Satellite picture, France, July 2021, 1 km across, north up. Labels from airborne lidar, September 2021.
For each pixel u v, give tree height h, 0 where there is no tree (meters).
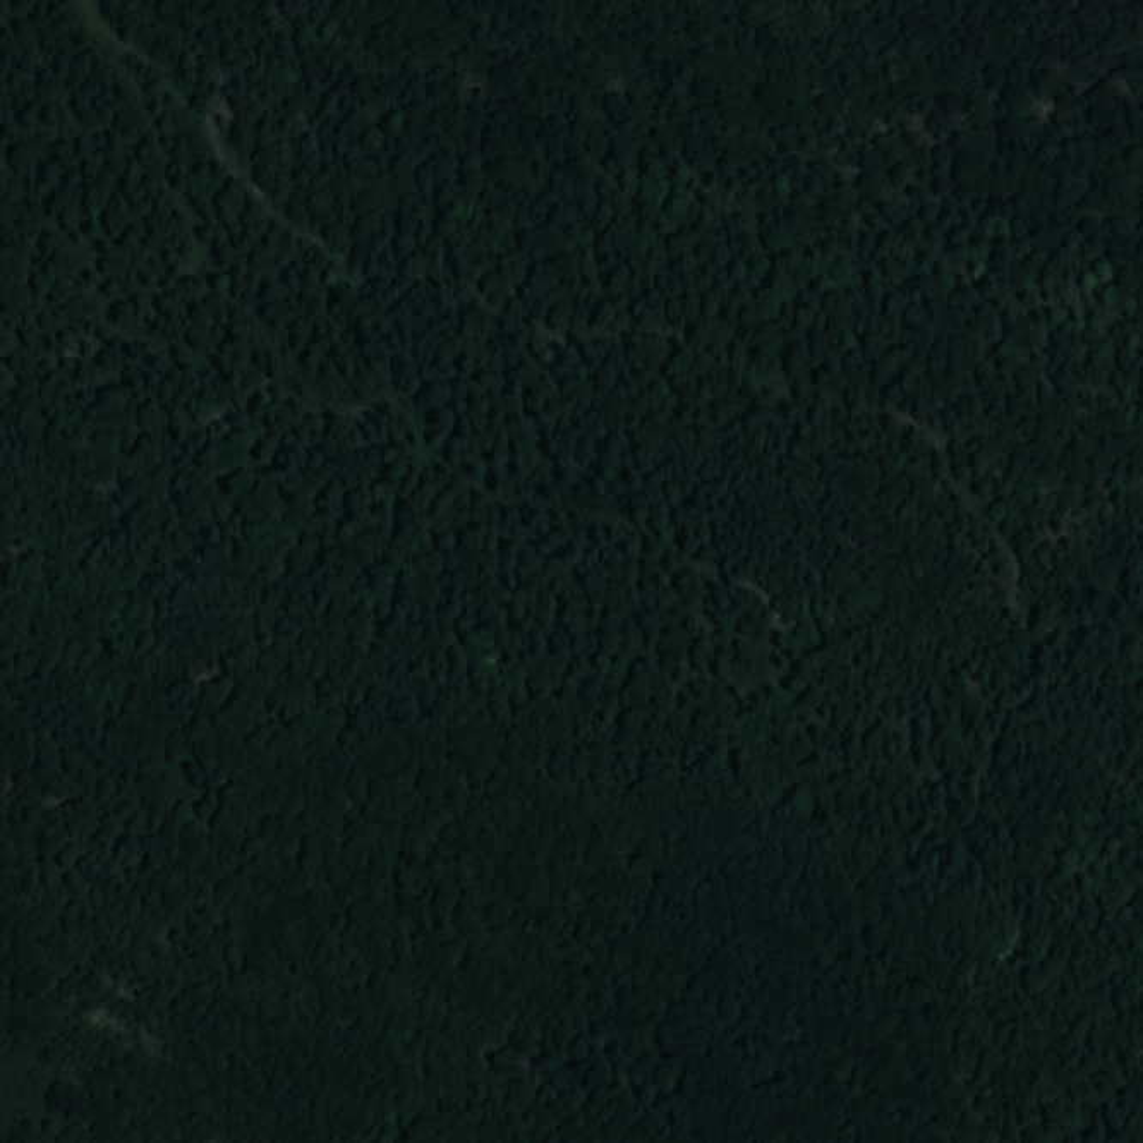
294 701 34
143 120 7
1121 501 34
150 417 39
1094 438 33
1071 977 19
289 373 9
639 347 29
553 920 33
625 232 33
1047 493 26
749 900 28
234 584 33
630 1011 29
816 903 30
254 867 24
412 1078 20
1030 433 29
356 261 21
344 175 35
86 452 29
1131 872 32
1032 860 30
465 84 24
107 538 24
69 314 32
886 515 27
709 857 30
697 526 32
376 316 18
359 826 31
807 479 38
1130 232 28
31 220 34
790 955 31
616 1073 26
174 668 27
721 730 36
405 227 33
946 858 22
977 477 20
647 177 28
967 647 34
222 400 34
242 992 25
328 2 10
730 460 18
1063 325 32
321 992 24
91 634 30
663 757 32
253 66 25
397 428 33
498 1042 25
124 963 19
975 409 33
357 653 35
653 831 27
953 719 28
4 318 40
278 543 33
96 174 31
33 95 33
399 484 39
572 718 27
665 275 22
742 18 21
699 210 29
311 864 27
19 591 32
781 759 34
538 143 17
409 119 21
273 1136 18
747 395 25
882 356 25
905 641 23
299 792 24
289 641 26
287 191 30
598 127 13
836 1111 29
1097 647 34
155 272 35
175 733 27
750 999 26
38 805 19
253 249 31
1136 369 30
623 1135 31
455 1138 28
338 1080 25
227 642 27
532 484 10
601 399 29
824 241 9
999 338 28
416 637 40
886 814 30
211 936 24
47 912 18
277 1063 20
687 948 32
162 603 31
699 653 25
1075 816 33
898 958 28
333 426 34
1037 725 6
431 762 28
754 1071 28
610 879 31
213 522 33
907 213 9
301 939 18
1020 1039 34
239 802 23
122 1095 27
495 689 29
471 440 39
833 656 35
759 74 11
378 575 37
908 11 17
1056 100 9
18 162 33
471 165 29
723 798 24
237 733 24
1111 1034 30
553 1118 29
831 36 8
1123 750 23
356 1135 23
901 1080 30
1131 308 32
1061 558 34
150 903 33
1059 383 28
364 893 23
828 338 34
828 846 25
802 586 23
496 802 28
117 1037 7
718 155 11
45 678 29
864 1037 30
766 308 28
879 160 23
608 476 32
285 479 34
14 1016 18
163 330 27
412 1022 28
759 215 8
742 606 31
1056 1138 35
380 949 26
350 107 27
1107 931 29
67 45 16
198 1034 18
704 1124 33
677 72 26
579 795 28
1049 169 26
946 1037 28
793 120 10
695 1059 29
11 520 26
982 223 11
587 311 13
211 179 8
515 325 35
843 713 33
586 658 17
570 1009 35
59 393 27
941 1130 28
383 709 19
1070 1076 24
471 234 32
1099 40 11
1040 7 28
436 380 30
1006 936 12
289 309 21
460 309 6
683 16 11
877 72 10
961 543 30
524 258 17
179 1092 19
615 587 34
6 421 19
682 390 31
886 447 34
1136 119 38
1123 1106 32
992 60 13
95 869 35
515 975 28
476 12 11
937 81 11
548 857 31
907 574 21
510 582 35
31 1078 10
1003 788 18
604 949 30
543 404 33
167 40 13
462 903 22
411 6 11
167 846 23
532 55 9
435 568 36
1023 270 7
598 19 20
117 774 26
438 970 28
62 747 33
